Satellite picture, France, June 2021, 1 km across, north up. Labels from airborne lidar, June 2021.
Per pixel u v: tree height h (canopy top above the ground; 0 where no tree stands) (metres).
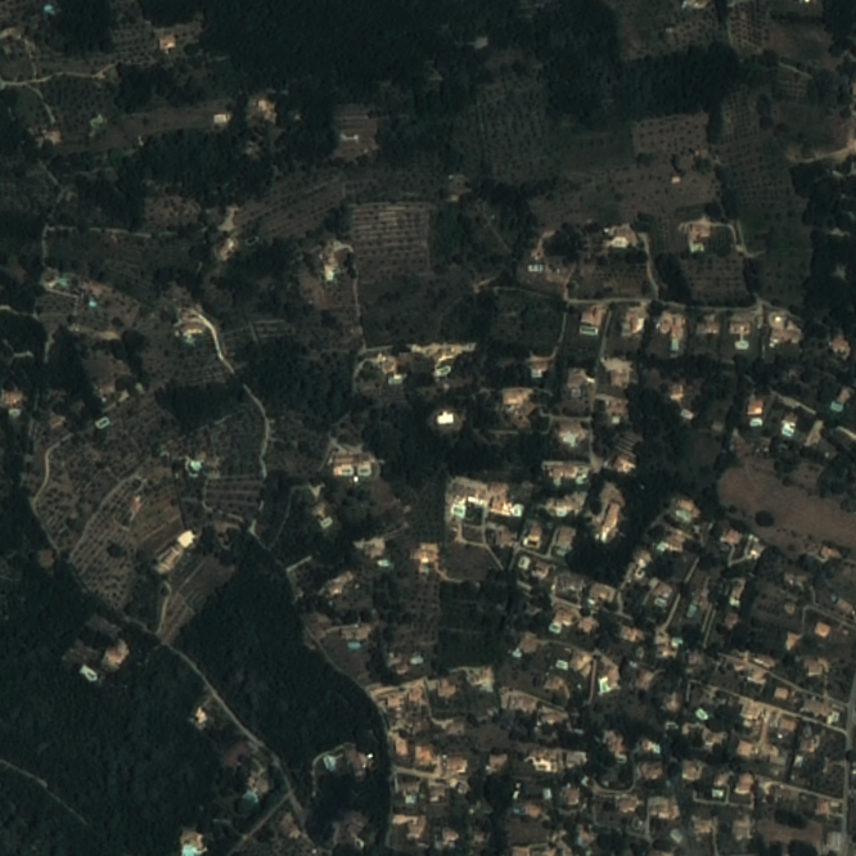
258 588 12
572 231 11
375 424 14
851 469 8
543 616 13
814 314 15
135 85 13
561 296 6
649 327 12
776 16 10
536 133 7
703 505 14
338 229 11
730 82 11
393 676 13
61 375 14
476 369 11
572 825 10
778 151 0
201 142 11
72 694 8
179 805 13
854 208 11
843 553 10
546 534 7
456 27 7
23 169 7
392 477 9
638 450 14
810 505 0
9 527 8
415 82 11
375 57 15
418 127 16
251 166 14
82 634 10
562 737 11
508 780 8
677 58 15
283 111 16
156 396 5
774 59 14
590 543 13
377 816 14
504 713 9
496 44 12
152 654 7
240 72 9
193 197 6
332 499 9
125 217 13
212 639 15
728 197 12
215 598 10
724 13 13
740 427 10
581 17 12
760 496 0
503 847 10
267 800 17
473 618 10
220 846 16
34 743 6
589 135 0
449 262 7
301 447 10
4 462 9
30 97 0
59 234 11
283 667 14
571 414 8
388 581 11
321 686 9
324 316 10
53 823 6
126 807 11
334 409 17
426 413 10
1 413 10
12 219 12
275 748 15
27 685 11
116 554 13
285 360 18
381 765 13
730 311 6
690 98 16
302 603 8
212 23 13
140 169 11
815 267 15
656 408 10
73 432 10
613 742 0
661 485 12
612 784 10
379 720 8
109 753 19
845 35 12
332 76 10
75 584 11
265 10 14
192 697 12
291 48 14
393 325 8
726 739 7
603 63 11
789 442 10
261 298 8
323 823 14
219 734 11
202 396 7
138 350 8
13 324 11
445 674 13
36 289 10
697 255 12
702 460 0
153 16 13
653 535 11
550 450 7
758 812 10
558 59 12
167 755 10
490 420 8
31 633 9
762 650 13
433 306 7
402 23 11
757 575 9
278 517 9
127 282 7
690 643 13
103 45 12
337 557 13
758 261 11
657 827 10
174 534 0
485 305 10
